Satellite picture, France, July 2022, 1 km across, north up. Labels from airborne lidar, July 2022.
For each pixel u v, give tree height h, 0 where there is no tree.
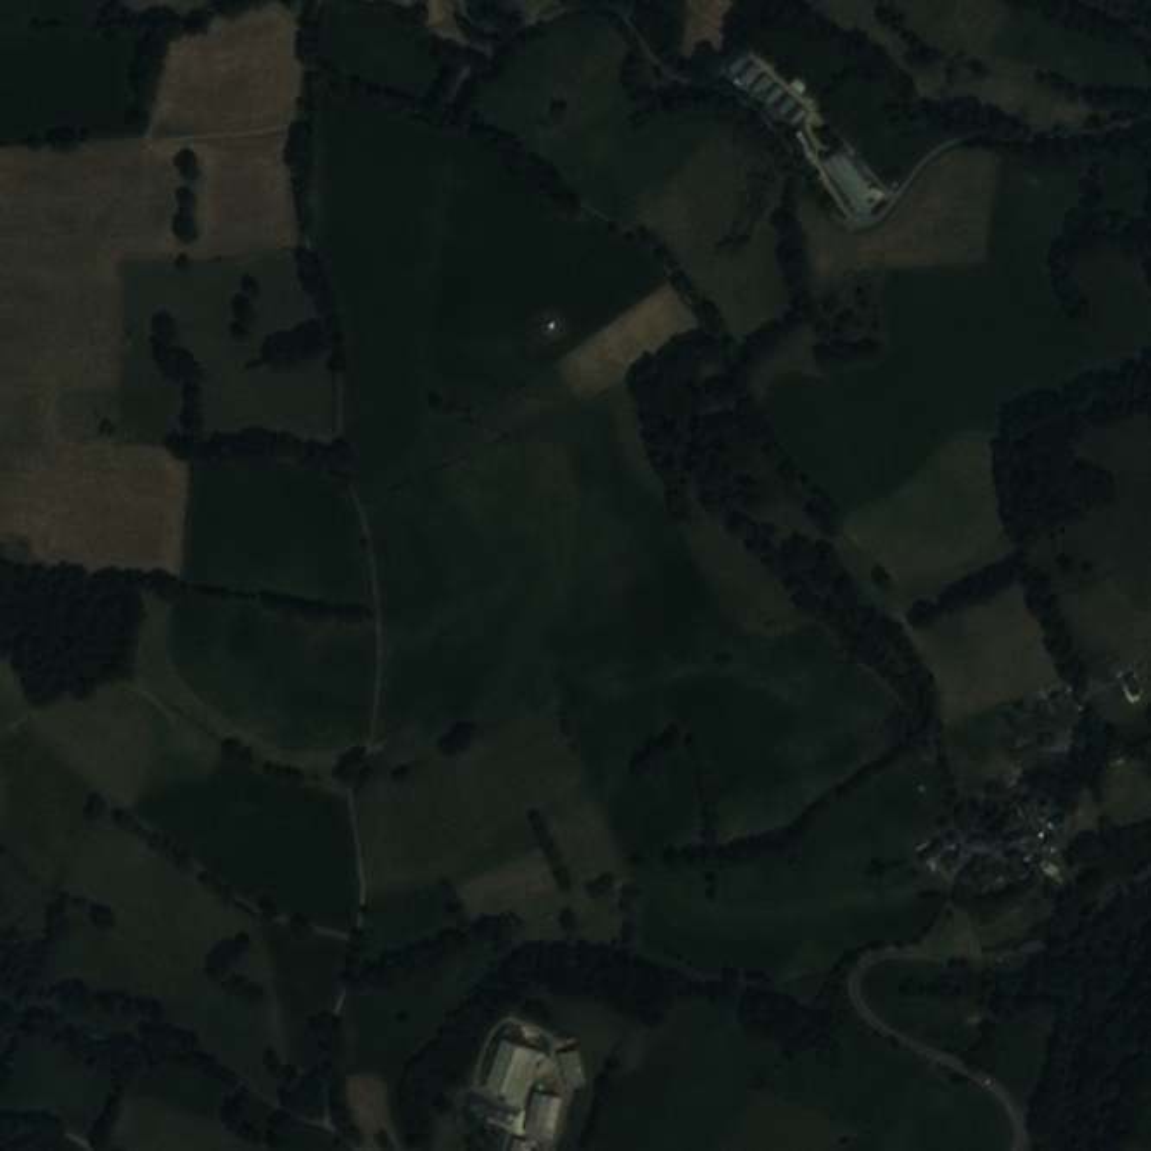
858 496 0
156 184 0
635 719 0
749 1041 0
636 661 0
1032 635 0
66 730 0
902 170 0
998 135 15
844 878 0
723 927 0
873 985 0
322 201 0
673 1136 0
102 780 0
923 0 0
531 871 0
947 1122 0
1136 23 17
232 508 0
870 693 0
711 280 0
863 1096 0
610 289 0
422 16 14
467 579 0
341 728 0
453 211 0
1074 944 20
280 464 0
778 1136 0
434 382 0
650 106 19
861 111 0
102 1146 18
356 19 0
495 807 0
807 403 0
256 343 0
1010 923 0
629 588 0
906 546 0
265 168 0
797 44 0
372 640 0
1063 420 22
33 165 0
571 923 18
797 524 0
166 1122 0
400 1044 0
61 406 0
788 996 0
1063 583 0
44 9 0
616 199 0
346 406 0
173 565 0
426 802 0
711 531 0
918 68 18
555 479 0
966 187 0
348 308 0
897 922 0
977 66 14
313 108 11
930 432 0
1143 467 0
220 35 0
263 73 0
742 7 24
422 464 0
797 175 10
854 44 27
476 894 0
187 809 0
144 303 0
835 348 10
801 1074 0
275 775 11
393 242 0
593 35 0
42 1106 0
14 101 0
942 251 0
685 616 0
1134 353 0
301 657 0
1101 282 0
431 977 0
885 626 19
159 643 0
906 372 0
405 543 0
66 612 12
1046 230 0
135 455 0
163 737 0
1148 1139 0
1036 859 7
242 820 0
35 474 0
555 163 0
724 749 0
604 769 0
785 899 0
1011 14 0
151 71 24
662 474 18
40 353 0
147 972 0
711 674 0
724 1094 0
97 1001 9
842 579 19
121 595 17
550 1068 0
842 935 0
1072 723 0
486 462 0
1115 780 0
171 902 0
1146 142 22
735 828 0
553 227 0
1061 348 0
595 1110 12
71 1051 17
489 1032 0
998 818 14
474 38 18
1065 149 18
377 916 0
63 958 0
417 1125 6
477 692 0
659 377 23
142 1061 16
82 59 0
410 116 7
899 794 0
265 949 0
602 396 0
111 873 0
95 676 21
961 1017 0
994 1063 0
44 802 0
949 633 0
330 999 0
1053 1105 26
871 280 0
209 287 0
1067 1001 14
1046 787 7
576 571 0
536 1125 0
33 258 0
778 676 0
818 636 0
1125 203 0
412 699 0
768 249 0
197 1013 0
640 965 22
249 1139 13
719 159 0
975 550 0
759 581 0
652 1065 0
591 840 0
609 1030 0
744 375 23
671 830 0
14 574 12
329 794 0
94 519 0
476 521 0
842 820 0
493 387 0
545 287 0
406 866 0
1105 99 18
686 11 17
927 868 0
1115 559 0
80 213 0
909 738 14
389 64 0
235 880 0
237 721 0
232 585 0
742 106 15
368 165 0
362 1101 0
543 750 0
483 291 0
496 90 0
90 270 0
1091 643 0
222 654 0
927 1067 0
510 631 0
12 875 0
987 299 0
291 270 0
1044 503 17
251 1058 0
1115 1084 24
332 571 0
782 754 0
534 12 0
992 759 0
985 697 0
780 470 8
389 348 0
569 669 0
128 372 0
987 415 0
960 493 0
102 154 0
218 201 0
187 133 0
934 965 0
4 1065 10
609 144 0
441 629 0
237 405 0
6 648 20
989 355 0
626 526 0
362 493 0
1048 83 17
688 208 0
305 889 0
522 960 22
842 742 0
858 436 0
